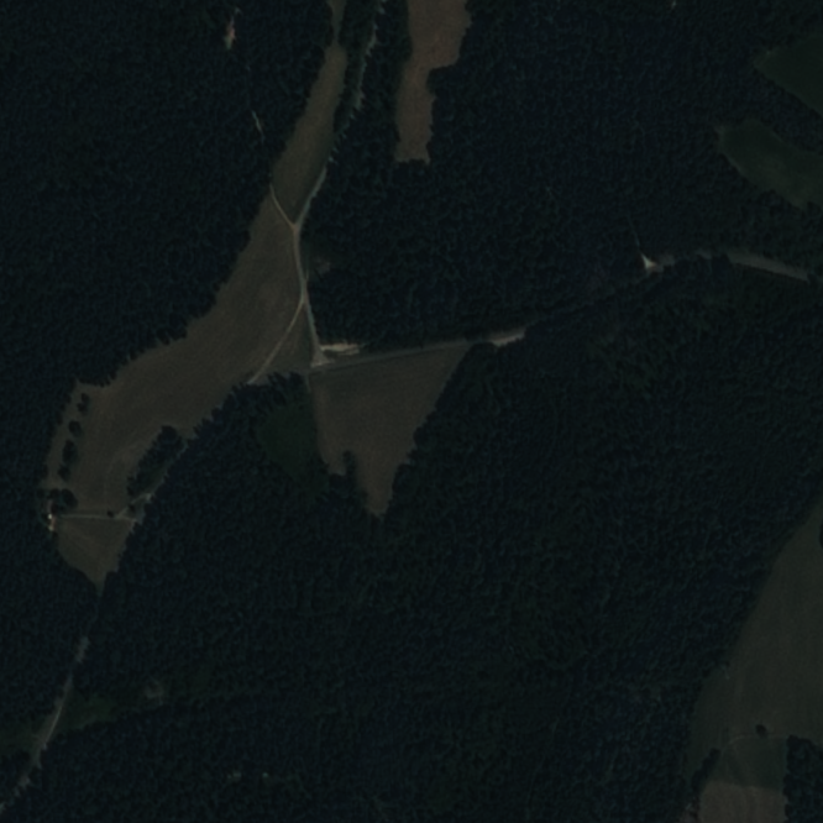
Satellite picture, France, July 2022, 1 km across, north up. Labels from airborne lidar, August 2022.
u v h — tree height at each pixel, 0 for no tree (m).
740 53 7
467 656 24
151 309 31
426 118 0
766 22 15
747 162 0
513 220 18
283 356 0
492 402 26
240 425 23
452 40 0
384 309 18
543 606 24
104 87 29
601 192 18
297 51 31
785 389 13
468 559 30
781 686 0
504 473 9
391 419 0
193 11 29
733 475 19
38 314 34
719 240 21
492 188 10
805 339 13
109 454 0
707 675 13
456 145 16
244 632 22
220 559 24
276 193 0
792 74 0
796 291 11
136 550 20
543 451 14
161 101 27
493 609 16
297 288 0
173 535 28
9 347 25
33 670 26
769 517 18
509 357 19
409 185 21
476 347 10
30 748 0
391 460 0
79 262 33
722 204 23
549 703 16
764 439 13
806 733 0
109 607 26
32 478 24
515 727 14
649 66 23
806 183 0
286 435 0
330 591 24
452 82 28
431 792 22
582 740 8
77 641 8
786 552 0
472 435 19
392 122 8
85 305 35
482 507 24
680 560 8
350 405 0
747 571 18
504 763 13
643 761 27
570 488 18
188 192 31
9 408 32
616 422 15
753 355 19
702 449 20
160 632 36
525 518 17
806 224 19
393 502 8
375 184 20
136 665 27
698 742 0
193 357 0
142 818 30
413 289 7
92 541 0
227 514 21
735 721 0
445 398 15
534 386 11
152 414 0
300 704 29
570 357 19
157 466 10
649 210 22
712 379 8
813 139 22
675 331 21
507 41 9
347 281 16
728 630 19
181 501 26
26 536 34
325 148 0
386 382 0
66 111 25
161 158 35
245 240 17
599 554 18
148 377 0
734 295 8
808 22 17
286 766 21
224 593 25
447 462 17
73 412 0
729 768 0
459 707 15
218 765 25
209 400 0
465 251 23
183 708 28
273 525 20
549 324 18
